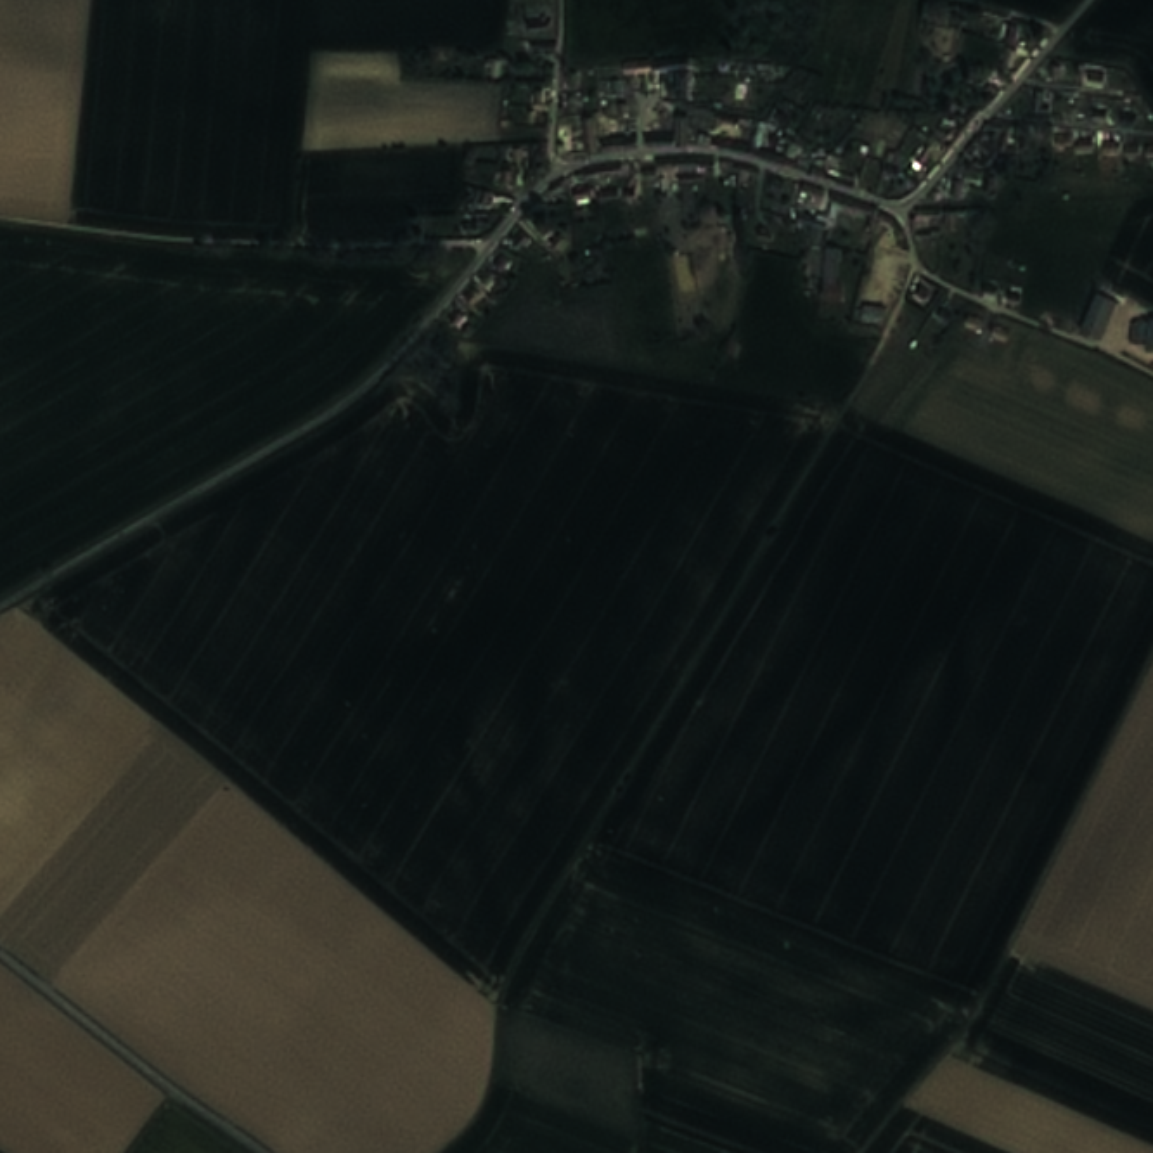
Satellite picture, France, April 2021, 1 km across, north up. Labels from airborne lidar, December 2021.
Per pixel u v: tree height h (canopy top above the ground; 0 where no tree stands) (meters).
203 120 0
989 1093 0
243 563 0
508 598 0
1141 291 0
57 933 0
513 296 0
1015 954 0
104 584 0
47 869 0
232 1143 0
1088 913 0
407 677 0
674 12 0
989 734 0
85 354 0
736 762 0
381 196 0
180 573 0
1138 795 0
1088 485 0
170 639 0
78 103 0
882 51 0
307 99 0
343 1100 0
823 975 0
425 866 0
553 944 0
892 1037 0
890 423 0
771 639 0
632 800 0
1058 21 0
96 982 0
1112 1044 0
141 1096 0
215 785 0
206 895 0
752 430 0
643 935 0
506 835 0
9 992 0
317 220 0
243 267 0
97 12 0
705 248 0
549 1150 0
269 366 0
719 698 0
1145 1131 0
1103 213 0
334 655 0
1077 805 0
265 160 0
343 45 0
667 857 0
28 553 0
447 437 0
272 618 0
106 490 0
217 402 0
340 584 0
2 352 0
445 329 0
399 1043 0
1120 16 0
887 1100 0
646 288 0
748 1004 0
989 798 0
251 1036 0
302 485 0
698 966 0
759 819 0
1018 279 0
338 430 0
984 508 0
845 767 0
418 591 0
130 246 0
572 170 0
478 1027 0
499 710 0
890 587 0
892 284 0
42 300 0
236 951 0
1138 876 0
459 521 0
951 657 0
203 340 0
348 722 0
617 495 0
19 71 0
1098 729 0
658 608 0
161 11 0
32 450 0
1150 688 0
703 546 0
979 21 10
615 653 0
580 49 0
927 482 0
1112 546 0
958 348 0
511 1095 0
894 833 0
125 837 0
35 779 0
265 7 0
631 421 0
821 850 0
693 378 0
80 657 0
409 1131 0
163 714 0
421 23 0
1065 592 0
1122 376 0
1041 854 0
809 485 0
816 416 0
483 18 0
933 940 0
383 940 0
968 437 0
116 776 0
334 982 0
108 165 0
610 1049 0
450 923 0
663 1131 0
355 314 0
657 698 0
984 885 0
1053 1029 0
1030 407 0
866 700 0
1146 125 0
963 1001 0
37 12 0
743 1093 0
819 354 0
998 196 0
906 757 0
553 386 0
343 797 0
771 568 0
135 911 0
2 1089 0
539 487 0
